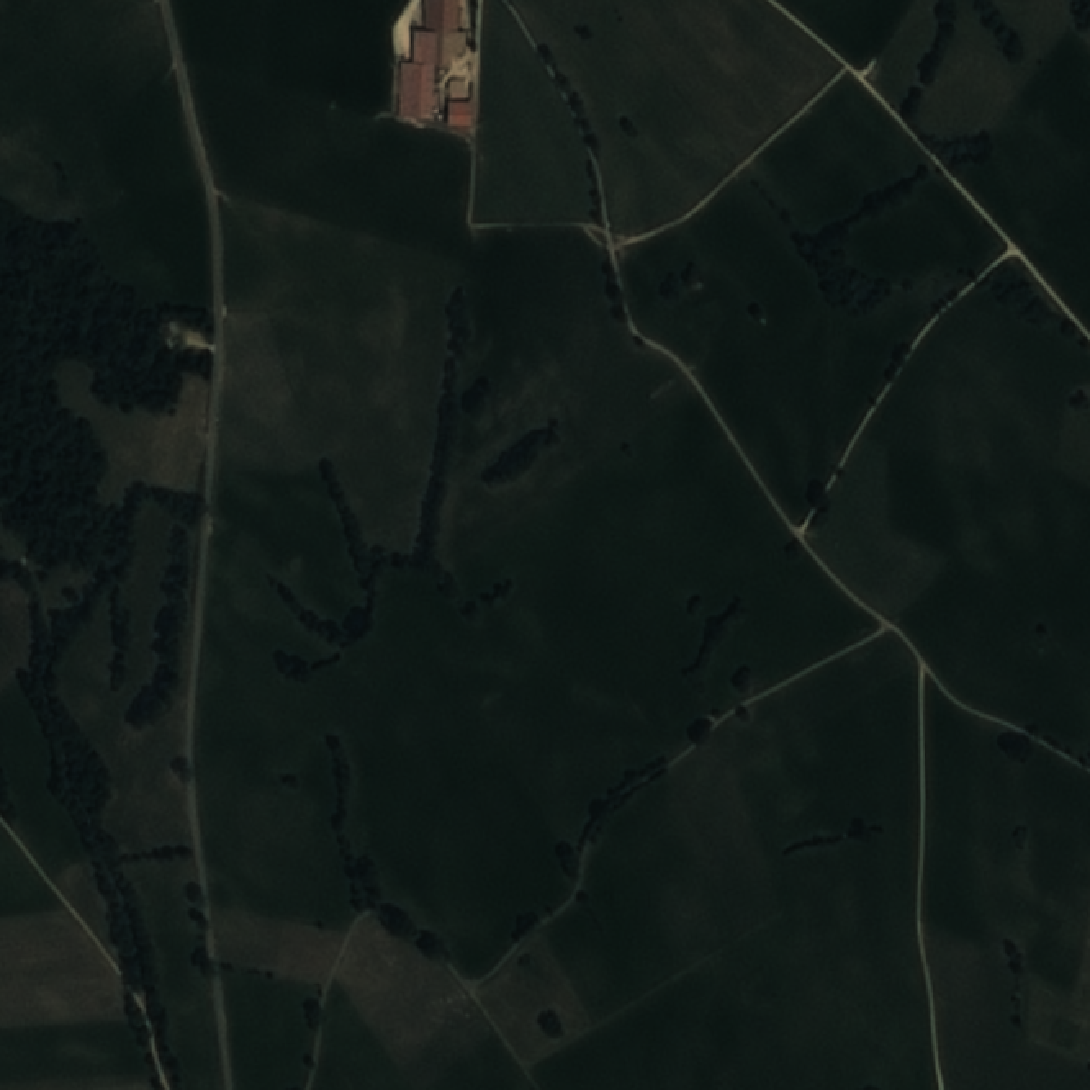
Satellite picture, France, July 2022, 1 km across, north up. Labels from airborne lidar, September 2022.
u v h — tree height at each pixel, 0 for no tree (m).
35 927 0
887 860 0
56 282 11
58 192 0
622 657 0
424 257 0
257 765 0
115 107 0
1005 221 0
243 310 0
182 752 0
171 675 21
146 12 0
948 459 0
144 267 0
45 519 17
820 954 0
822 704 0
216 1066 0
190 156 0
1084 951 0
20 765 0
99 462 20
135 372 23
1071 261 0
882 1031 0
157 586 0
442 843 0
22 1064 0
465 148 0
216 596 0
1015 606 0
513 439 0
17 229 14
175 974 0
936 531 0
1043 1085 0
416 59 0
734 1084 0
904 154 0
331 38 0
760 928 0
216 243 0
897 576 0
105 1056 0
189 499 13
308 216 0
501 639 0
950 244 0
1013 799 0
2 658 0
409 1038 0
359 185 0
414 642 0
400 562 16
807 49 0
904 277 0
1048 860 0
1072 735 0
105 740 0
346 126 0
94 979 0
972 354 0
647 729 0
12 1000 0
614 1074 0
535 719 0
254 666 0
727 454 0
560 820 0
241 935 0
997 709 0
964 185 0
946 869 0
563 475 0
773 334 0
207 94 0
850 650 0
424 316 0
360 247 0
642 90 0
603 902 0
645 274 0
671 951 0
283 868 0
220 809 0
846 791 0
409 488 0
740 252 0
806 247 15
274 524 0
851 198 0
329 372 0
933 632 0
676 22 0
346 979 0
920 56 0
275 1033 0
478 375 0
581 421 0
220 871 0
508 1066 0
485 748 0
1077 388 0
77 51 0
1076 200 0
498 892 0
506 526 0
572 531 0
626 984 0
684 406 0
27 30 0
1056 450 0
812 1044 0
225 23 0
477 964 0
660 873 0
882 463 0
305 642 0
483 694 0
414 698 0
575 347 0
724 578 0
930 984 0
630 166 0
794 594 0
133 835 0
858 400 0
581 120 13
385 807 0
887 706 0
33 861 0
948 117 0
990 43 0
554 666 0
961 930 0
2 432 7
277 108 0
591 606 0
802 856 0
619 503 0
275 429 0
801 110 0
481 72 0
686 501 0
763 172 0
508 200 0
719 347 0
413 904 0
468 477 0
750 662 0
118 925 18
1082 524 0
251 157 0
